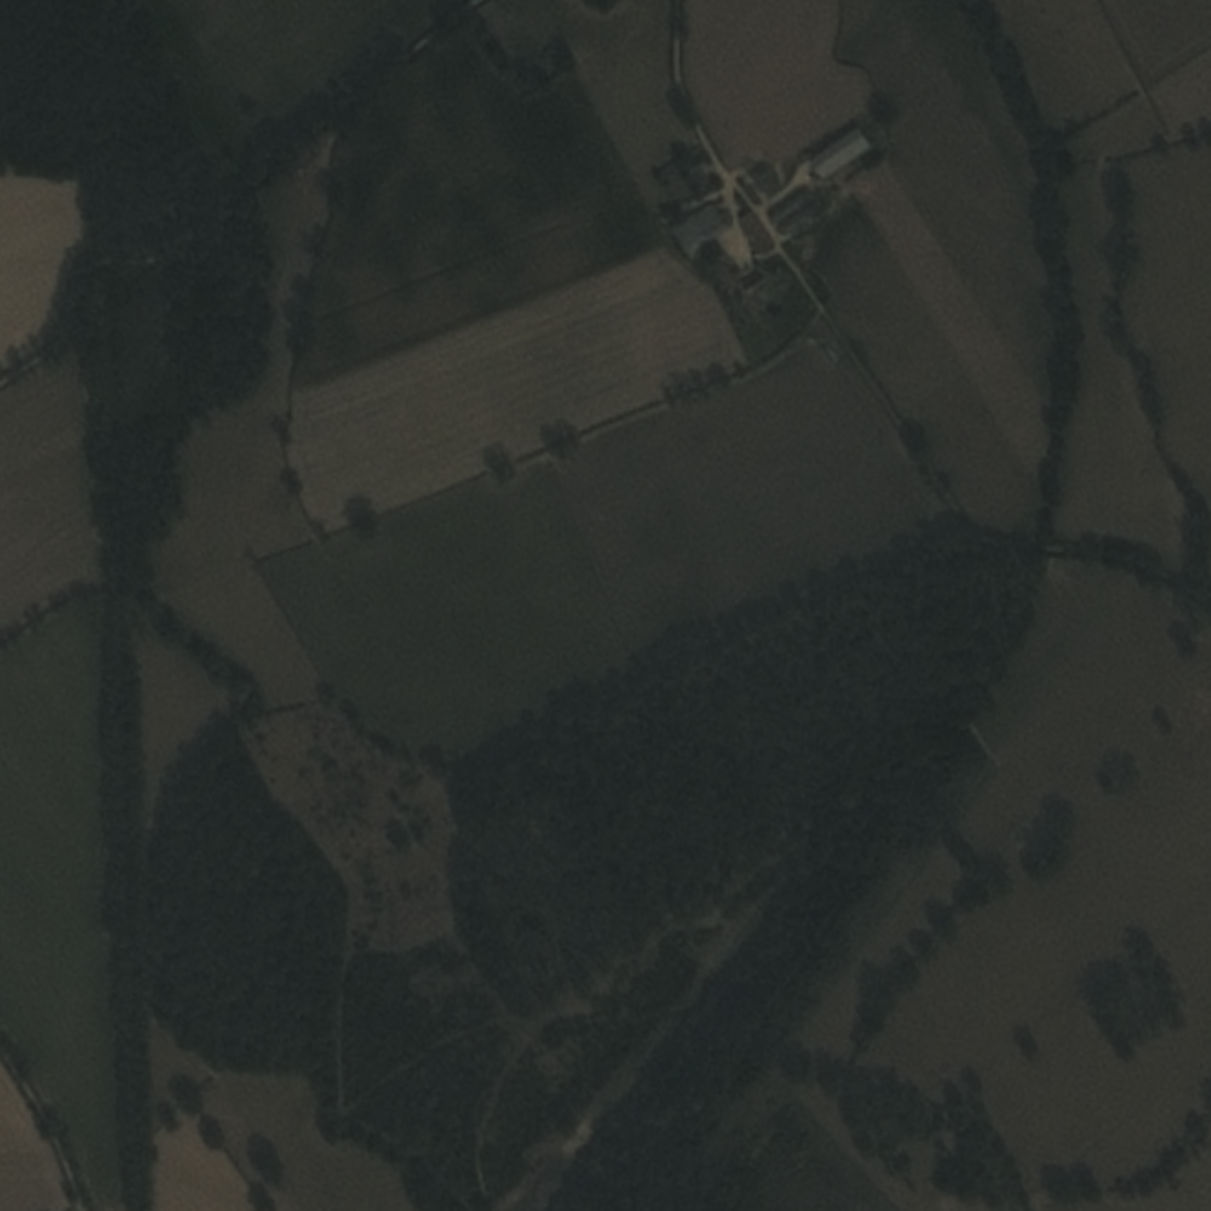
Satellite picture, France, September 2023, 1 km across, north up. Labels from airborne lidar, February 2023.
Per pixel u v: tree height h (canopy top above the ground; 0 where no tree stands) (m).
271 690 0
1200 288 0
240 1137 0
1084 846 0
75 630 0
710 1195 24
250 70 0
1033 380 0
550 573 0
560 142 0
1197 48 0
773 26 0
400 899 0
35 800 0
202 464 0
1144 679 0
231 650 0
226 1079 0
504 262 0
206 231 19
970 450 0
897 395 0
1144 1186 14
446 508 0
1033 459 0
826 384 0
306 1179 0
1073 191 0
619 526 0
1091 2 0
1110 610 0
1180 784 0
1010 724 0
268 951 18
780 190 0
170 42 0
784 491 0
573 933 27
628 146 0
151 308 0
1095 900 0
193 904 23
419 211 0
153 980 6
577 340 0
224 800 25
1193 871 0
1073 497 0
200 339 28
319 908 25
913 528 0
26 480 0
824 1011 0
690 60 0
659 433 0
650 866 27
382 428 0
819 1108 0
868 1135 16
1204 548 19
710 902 0
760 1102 0
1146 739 0
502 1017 0
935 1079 0
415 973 0
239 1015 24
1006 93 17
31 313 0
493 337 0
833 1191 0
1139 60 0
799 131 0
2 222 0
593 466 0
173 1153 0
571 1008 0
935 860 0
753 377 0
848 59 0
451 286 0
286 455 0
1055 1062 0
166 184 25
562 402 0
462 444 0
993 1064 0
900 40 0
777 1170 0
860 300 0
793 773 24
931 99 0
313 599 0
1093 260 0
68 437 0
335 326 0
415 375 0
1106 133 0
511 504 0
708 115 0
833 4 0
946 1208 0
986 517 0
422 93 0
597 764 26
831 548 0
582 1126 0
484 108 0
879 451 0
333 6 0
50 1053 0
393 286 0
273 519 0
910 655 24
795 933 17
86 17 24
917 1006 0
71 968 0
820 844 22
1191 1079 0
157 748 0
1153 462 0
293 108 0
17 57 24
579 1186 17
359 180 0
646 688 15
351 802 0
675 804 21
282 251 0
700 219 0
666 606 0
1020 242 0
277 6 0
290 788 0
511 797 28
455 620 0
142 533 24
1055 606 0
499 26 0
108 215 26
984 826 0
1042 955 0
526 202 0
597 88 0
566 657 0
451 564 0
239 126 0
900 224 0
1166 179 0
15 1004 0
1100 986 22
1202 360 0
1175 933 0
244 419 0
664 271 0
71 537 0
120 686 21
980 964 0
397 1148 20
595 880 26
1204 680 0
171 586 0
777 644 24
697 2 0
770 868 0
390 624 0
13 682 0
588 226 0
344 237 0
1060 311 24
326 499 0
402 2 0
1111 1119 0
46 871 0
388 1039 0
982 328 0
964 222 0
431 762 17
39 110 27
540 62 0
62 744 0
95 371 22
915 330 0
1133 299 0
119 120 24
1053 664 0
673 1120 19
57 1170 0
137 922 20
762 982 15
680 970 0
